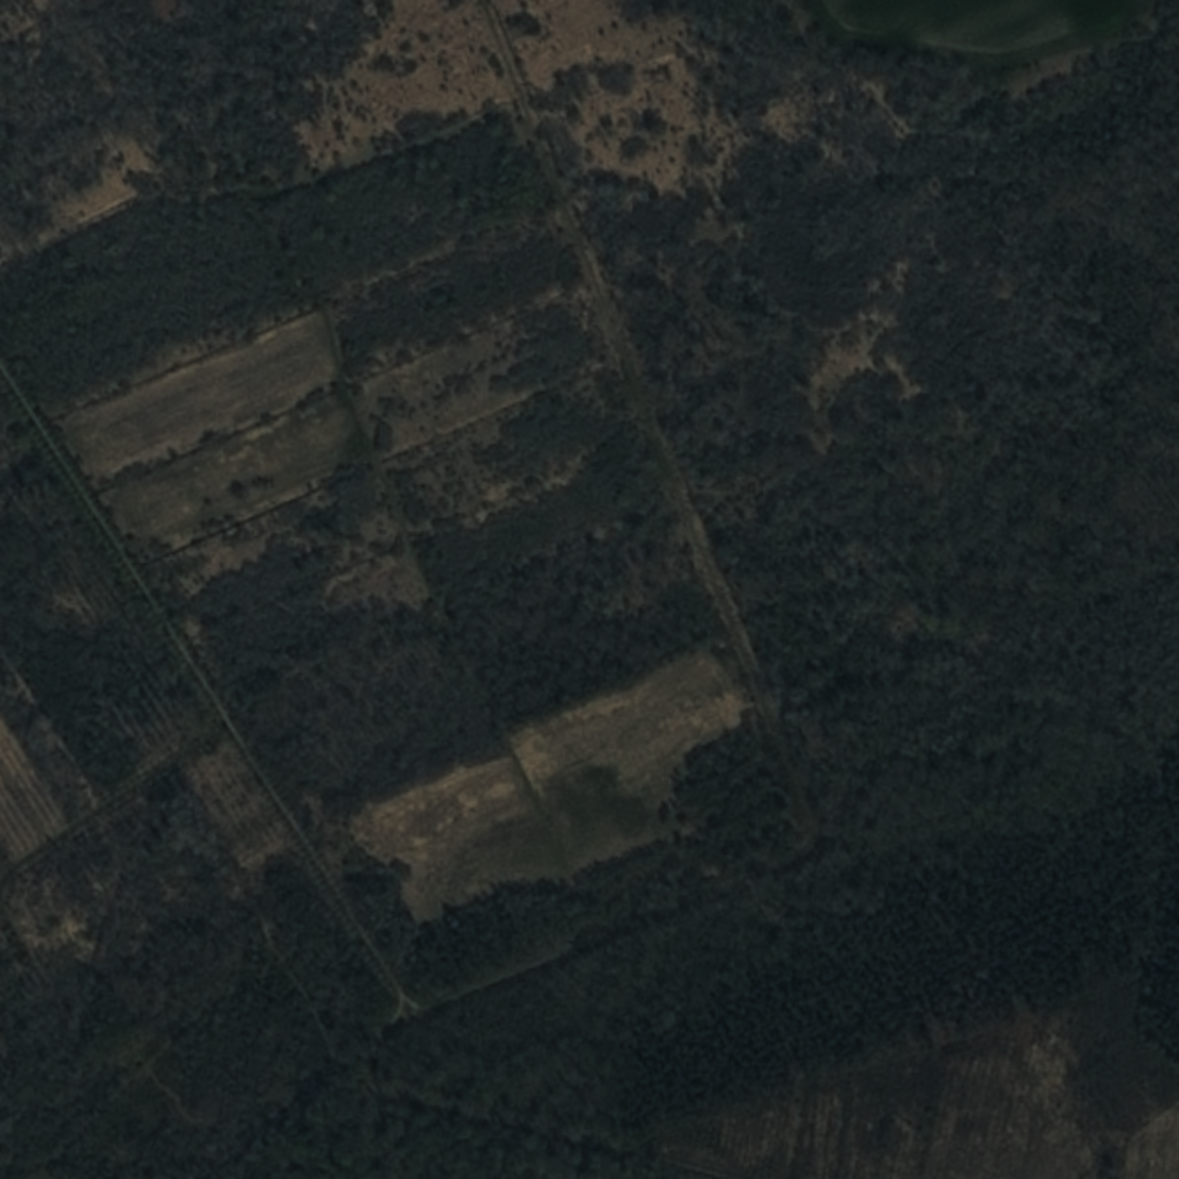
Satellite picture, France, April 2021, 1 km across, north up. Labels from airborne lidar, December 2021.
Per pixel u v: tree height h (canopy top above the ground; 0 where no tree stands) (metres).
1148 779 8
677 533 11
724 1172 0
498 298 5
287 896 16
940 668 24
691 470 23
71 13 12
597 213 18
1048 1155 0
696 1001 24
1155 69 12
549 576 16
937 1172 0
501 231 6
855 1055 24
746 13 18
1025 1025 0
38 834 14
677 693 0
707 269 7
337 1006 14
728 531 13
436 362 0
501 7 0
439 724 18
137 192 7
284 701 22
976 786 21
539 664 10
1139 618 17
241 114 8
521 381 9
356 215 9
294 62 8
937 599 21
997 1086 0
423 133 6
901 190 8
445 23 0
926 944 23
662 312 11
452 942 19
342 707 14
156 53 8
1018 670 19
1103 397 7
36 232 14
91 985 21
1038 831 19
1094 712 21
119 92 17
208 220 11
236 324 7
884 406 7
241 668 10
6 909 6
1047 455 28
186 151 21
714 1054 20
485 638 18
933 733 21
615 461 6
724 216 7
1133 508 21
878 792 26
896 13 0
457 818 0
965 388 11
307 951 24
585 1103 27
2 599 8
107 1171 10
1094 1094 9
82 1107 8
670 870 20
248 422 0
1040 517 22
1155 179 26
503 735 14
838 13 0
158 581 16
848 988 20
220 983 19
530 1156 27
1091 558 22
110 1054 17
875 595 24
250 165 8
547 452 7
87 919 16
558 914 20
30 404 26
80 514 16
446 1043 15
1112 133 12
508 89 0
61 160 16
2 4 7
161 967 16
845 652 6
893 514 18
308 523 6
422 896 0
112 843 18
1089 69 11
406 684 21
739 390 22
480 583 9
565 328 6
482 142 9
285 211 7
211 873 22
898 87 7
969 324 6
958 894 19
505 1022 13
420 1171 31
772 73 18
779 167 6
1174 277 17
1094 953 20
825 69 16
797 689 27
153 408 0
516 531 6
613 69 7
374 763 10
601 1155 22
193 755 14
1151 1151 0
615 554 6
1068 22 0
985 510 24
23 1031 22
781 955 21
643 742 0
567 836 0
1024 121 20
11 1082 18
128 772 6
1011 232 14
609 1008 23
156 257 8
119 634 25
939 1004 21
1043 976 20
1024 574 23
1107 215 23
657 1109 17
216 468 0
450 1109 21
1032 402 25
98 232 9
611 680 18
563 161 16
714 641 7
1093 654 14
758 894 21
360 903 20
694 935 16
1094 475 22
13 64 20
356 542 7
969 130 21
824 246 20
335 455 0
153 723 29
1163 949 22
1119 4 0
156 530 0
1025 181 20
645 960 25
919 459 21
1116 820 19
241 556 0
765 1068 24
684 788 12
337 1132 23
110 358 7
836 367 0
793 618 8
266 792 26
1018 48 0
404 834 0
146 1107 0
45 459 18
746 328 25
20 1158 11
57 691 10
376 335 7
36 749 16
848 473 6
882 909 15
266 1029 11
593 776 0
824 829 24
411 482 6
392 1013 12
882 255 7
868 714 26
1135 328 25
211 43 7
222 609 5
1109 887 12
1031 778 28
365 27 6
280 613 7
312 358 0
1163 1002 24
